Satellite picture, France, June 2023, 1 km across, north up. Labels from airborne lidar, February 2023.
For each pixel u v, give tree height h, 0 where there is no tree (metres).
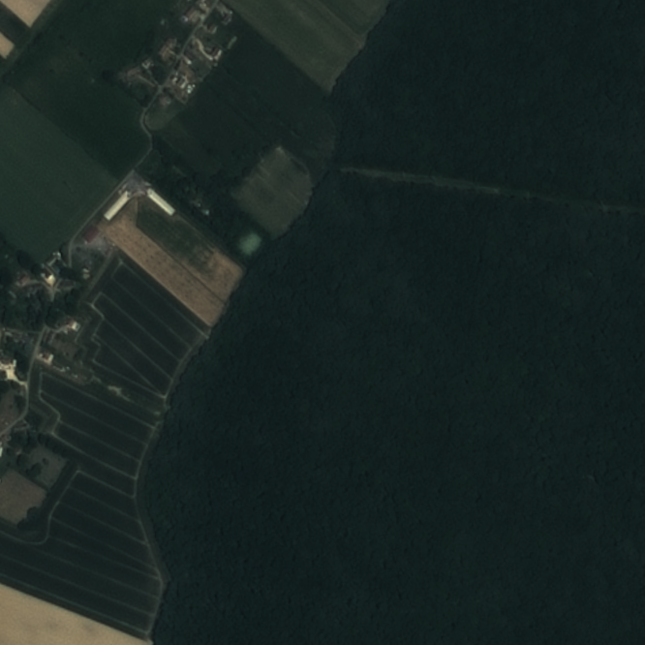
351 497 22
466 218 20
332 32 0
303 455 23
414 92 21
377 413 25
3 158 0
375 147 19
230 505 26
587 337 31
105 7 0
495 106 20
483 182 22
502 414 25
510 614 29
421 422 27
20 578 0
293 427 24
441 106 20
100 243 0
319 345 23
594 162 27
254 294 21
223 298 0
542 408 26
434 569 24
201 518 26
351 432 24
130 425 0
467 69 15
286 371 25
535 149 24
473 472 26
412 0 20
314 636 30
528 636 30
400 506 23
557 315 28
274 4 0
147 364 0
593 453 28
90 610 0
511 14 24
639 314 29
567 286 24
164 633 21
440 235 23
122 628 0
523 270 26
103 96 0
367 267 23
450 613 28
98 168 0
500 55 20
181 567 22
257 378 26
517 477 29
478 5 25
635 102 26
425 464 23
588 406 26
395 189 22
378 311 24
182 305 0
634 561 28
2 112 0
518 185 24
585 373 24
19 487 0
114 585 0
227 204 19
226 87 0
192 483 24
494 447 24
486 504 26
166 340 0
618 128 26
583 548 28
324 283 24
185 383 13
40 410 0
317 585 26
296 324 22
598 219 28
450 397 23
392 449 20
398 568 24
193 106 0
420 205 23
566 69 27
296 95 0
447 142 17
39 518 19
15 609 0
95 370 0
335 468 21
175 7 0
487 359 24
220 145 0
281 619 31
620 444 29
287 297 24
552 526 32
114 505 0
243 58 0
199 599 27
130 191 0
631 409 26
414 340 21
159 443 7
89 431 0
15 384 15
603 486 23
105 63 0
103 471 0
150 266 0
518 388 24
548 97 24
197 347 0
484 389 23
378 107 21
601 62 27
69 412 0
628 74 27
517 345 26
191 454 26
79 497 0
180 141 0
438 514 21
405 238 26
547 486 25
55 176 0
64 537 0
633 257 29
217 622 29
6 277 18
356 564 22
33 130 0
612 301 27
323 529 23
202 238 0
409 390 24
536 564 31
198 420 22
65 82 0
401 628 26
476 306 23
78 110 0
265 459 25
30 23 0
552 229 28
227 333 20
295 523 24
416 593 25
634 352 28
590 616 26
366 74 18
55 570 0
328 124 0
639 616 31
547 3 26
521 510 31
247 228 9
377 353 23
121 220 0
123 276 0
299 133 7
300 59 0
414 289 22
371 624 27
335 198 21
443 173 22
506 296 28
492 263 26
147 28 0
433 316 22
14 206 0
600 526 28
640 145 26
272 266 22
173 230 0
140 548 0
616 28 27
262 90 0
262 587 25
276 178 0
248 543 25
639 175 28
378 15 0
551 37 27
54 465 0
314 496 24
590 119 26
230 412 21
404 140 21
